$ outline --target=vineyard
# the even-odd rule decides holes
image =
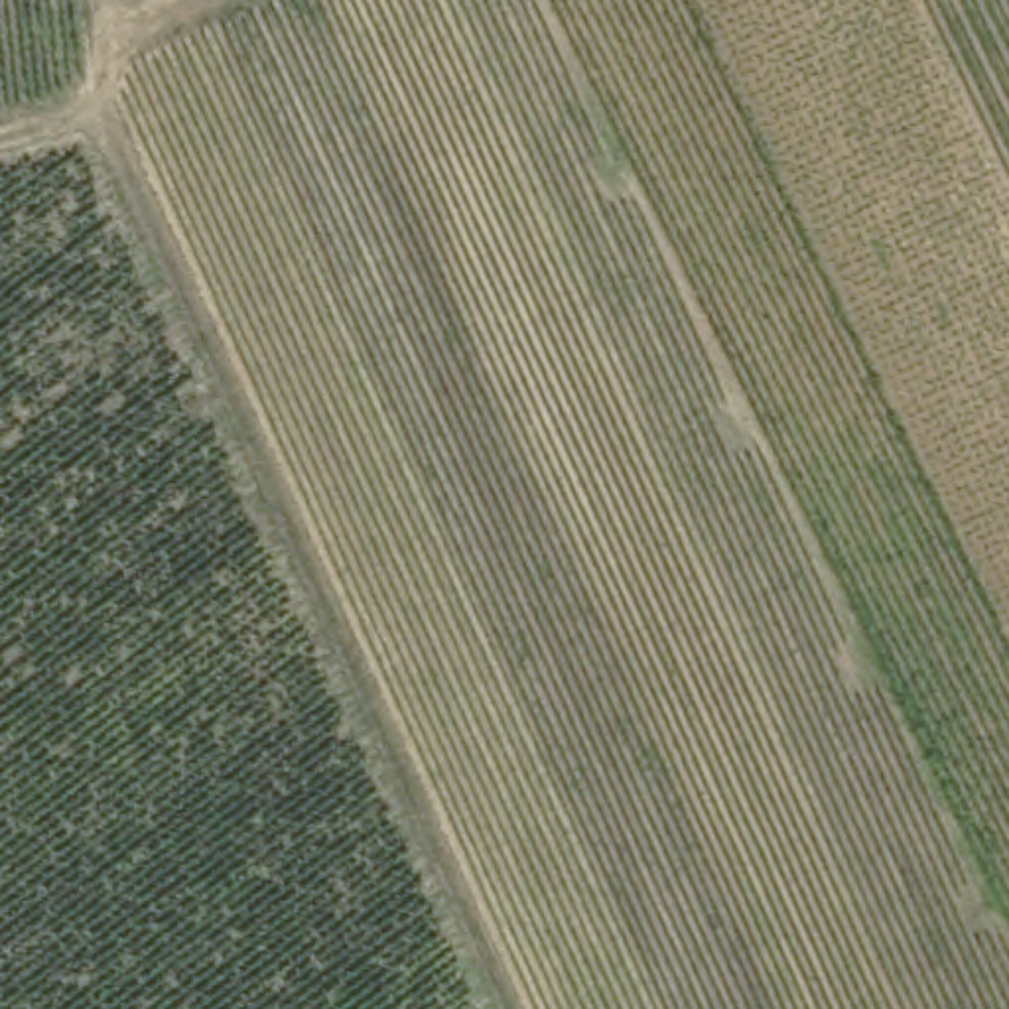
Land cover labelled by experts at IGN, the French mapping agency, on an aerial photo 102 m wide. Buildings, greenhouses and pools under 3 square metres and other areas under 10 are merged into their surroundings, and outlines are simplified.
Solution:
[[[1009,1009],[1009,0],[0,0],[0,1009]]]

